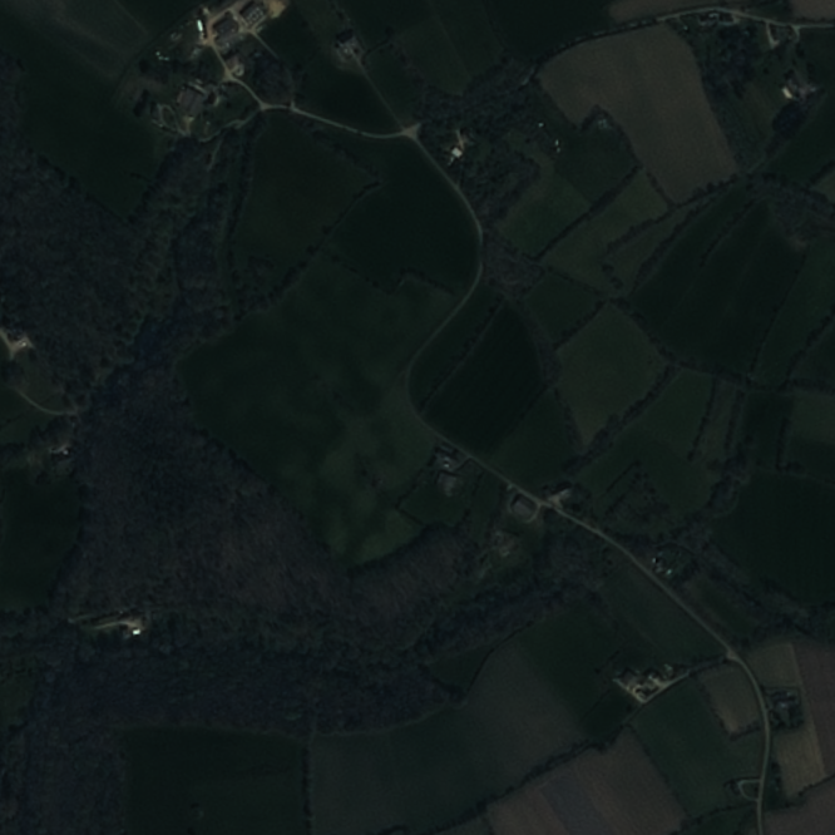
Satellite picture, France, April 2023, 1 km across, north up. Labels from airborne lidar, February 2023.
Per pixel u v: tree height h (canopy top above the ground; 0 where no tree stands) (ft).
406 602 69
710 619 29
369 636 91
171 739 0
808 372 0
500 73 33
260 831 0
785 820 0
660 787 0
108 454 76
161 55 0
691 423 0
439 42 0
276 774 0
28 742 52
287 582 59
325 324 0
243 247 0
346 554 0
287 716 73
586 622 0
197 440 65
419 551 54
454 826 29
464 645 53
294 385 0
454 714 0
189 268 82
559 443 0
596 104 0
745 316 0
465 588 26
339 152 32
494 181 18
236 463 69
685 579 43
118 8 0
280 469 0
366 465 0
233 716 62
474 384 0
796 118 68
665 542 26
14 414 0
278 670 92
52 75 0
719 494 39
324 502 0
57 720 84
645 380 0
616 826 0
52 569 0
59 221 60
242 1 0
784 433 30
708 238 0
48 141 0
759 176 38
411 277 26
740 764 0
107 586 51
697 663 33
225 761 0
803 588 0
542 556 30
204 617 87
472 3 0
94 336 37
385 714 66
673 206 24
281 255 0
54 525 0
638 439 0
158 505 53
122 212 0
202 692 65
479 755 0
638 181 0
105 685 77
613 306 20
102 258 58
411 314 0
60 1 0
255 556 47
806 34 0
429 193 0
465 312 0
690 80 0
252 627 98
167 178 69
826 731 0
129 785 0
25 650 79
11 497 0
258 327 0
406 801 0
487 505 0
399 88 0
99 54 0
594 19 0
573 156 0
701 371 23
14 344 0
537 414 0
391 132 0
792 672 0
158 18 0
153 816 0
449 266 0
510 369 0
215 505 76
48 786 82
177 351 55
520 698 0
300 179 0
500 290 41
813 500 0
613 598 0
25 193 77
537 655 0
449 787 0
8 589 0
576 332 27
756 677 0
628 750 0
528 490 0
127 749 0
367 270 0
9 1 0
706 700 27
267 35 0
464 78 0
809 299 0
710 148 0
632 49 0
